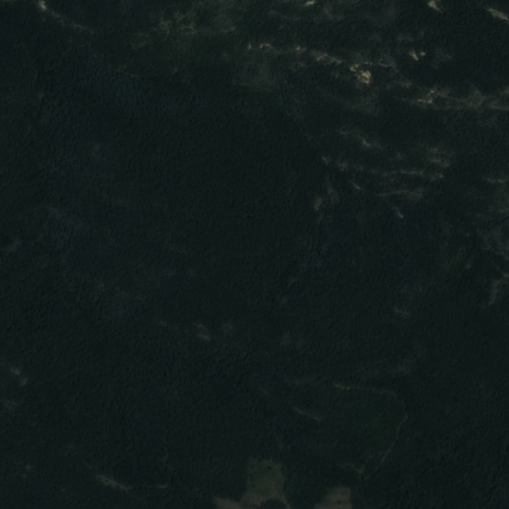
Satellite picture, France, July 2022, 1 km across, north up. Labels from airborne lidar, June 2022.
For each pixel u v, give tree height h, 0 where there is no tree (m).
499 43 9
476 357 10
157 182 13
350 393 8
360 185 8
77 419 7
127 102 10
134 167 12
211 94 12
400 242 7
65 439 11
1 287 15
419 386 12
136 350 7
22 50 10
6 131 11
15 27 13
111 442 12
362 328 11
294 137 12
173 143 14
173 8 8
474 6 9
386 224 8
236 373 13
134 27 9
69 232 9
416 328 10
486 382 12
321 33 10
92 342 13
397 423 8
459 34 10
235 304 8
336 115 9
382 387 10
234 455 7
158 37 9
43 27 12
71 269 9
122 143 12
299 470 11
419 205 9
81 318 10
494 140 8
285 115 7
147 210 7
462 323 12
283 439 6
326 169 7
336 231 8
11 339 15
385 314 12
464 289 10
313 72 8
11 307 8
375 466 8
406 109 7
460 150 7
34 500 16
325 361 10
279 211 12
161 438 10
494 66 9
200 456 6
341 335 8
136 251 12
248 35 7
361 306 9
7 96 7
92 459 8
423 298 11
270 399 7
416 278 7
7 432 7
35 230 11
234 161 10
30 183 14
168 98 16
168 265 10
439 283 8
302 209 10
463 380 11
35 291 7
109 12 7
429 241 8
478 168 9
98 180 8
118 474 10
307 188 9
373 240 11
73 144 8
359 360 9
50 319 17
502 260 8
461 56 7
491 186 7
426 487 11
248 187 14
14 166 10
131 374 12
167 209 7
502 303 11
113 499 10
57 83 13
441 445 10
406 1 11
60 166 10
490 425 9
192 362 13
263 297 12
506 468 13
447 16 11
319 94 7
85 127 9
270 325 10
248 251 12
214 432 7
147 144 14
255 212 13
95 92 17
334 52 8
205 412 8
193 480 6
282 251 12
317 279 11
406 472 14
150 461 12
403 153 6
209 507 7
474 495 10
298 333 7
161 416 13
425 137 7
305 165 11
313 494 7
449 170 10
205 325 7
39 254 12
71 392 9
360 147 6
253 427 7
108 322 6
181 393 6
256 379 8
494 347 11
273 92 6
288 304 6
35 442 10
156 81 11
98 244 9
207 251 8
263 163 10
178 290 7
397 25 5
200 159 13
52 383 14
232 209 14
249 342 10
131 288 9
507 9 7
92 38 9
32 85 9
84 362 14
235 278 10
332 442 8
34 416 10
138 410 6
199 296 7
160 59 8
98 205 10
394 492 8
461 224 7
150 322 10
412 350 9
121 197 8
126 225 13
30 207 11
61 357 13
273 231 13
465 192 7
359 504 7
